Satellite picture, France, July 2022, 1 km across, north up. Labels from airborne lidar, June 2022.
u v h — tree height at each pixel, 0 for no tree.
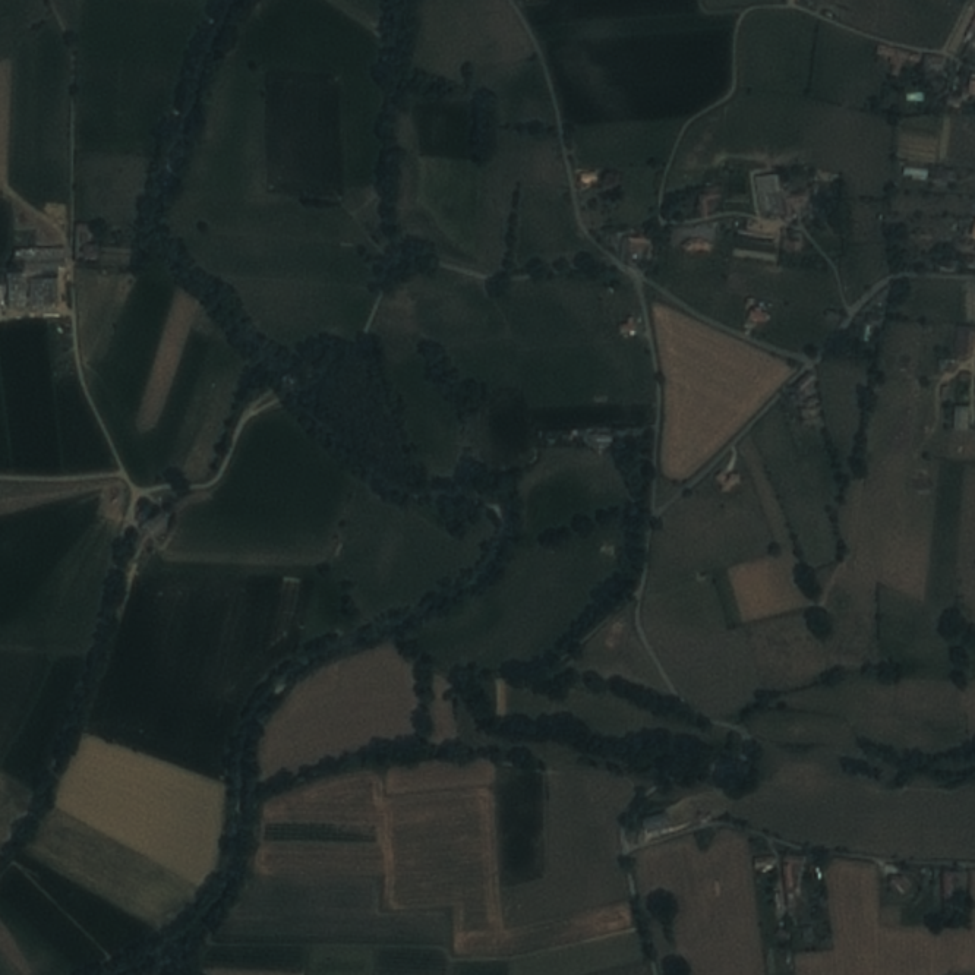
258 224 0
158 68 0
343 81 0
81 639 0
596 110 0
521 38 0
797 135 0
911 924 0
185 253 19
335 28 0
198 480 0
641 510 17
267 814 0
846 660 0
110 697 0
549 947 0
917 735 0
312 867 0
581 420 0
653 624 0
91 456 0
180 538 0
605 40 0
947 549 0
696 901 0
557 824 0
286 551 0
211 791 0
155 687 0
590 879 0
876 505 0
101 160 0
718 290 0
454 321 0
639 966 0
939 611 0
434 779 0
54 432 0
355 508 0
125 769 0
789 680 0
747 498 0
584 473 0
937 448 0
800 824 0
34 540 0
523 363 0
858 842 0
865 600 0
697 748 29
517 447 0
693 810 0
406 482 33
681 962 16
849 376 0
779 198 0
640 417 0
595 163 0
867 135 0
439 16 0
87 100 0
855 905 0
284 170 0
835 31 0
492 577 17
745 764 17
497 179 0
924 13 0
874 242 0
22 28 0
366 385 33
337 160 0
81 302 0
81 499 0
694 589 0
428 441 0
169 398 0
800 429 0
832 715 0
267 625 0
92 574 0
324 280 0
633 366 0
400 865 0
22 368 0
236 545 0
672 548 0
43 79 0
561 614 0
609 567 0
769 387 0
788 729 0
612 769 12
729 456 0
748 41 0
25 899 0
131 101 0
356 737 0
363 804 0
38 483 0
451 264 0
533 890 0
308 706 0
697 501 0
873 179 0
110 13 0
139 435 0
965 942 0
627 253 0
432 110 0
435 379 24
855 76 0
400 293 0
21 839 18
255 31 0
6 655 0
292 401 20
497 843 0
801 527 0
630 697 17
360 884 0
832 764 0
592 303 0
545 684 19
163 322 0
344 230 0
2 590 0
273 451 0
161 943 21
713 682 0
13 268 9
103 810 0
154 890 0
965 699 0
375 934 0
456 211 0
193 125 23
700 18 0
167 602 0
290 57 0
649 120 0
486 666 0
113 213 0
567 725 26
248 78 0
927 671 0
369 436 35
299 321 0
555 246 0
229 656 0
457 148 0
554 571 0
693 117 0
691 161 0
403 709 0
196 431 0
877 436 0
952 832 0
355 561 0
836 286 0
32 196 0
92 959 0
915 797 0
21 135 0
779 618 0
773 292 0
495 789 0
